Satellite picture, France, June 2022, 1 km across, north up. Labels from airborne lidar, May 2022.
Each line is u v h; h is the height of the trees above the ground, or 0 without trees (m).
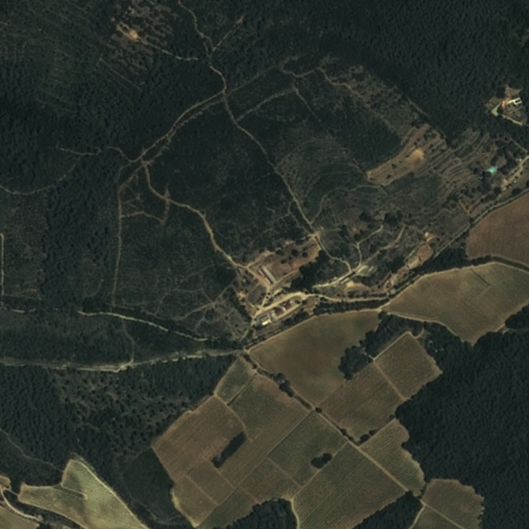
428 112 10
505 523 17
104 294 7
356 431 0
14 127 18
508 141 15
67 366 0
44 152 7
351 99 9
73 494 0
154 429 19
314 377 0
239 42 7
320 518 0
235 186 7
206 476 0
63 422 18
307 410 0
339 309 15
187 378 11
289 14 12
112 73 6
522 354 15
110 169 19
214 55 6
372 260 0
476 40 20
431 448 6
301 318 17
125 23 7
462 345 19
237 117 5
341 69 7
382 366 0
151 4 7
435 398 16
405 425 15
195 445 0
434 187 0
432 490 0
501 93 11
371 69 7
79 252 18
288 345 0
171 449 0
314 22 6
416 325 9
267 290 0
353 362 20
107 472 6
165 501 0
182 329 10
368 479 0
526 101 9
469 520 0
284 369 0
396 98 8
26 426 14
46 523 10
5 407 12
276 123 7
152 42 9
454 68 23
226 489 0
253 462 0
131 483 0
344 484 0
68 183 16
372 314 0
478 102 17
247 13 20
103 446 6
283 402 0
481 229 0
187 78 7
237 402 0
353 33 15
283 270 0
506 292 0
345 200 0
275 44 9
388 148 8
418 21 17
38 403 18
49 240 17
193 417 0
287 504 13
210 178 6
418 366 0
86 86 7
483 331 0
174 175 6
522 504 14
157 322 12
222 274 8
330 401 0
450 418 15
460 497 0
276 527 14
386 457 0
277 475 0
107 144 8
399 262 8
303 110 6
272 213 7
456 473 14
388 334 11
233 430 0
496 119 12
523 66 7
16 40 9
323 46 7
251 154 6
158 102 15
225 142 5
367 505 0
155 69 14
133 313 9
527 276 0
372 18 7
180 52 15
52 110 12
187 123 6
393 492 0
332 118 9
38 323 8
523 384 16
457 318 0
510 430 14
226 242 7
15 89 7
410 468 0
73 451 12
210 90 6
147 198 6
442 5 17
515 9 13
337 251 6
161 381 12
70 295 18
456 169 0
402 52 17
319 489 0
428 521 0
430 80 15
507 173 16
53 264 21
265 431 0
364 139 8
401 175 0
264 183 7
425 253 0
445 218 7
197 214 6
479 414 13
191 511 0
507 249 0
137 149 6
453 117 7
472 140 0
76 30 7
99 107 21
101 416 9
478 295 0
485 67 19
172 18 6
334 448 0
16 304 13
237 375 0
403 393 0
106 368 0
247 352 0
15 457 6
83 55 6
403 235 0
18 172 7
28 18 8
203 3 9
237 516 0
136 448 19
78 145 12
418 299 0
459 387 17
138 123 6
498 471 13
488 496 16
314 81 7
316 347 0
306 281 14
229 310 0
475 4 15
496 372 17
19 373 7
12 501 7
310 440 0
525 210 0
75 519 0
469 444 16
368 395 0
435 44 21
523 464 18
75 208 20
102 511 0
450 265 12
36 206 7
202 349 0
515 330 11
